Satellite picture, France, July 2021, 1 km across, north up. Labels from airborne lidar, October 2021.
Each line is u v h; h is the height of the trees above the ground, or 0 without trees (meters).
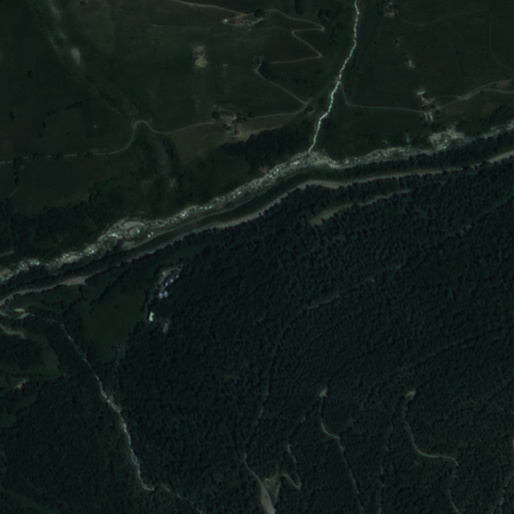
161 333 17
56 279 18
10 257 8
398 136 9
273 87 0
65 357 15
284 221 17
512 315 19
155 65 0
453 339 14
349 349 11
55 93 0
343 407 17
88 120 0
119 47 0
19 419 10
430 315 17
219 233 14
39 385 14
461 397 8
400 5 0
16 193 0
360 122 0
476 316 25
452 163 14
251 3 0
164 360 22
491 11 0
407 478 9
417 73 0
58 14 0
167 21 0
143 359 27
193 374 25
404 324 15
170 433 25
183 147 0
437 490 15
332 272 21
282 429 14
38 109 0
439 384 18
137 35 0
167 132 0
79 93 0
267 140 22
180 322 18
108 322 0
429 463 9
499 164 12
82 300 12
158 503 18
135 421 10
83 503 13
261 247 26
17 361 13
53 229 16
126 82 0
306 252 14
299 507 24
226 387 21
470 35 0
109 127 0
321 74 9
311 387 18
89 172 0
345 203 9
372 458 18
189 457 27
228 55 0
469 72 0
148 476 16
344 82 0
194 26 0
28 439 19
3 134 0
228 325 17
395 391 7
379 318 13
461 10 0
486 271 23
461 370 18
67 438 16
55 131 0
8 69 0
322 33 0
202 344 24
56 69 0
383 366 14
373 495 17
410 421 14
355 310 18
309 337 19
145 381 26
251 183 0
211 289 13
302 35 0
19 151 0
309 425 8
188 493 12
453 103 0
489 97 0
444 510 15
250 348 22
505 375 12
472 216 17
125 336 0
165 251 15
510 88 0
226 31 0
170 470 22
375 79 0
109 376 15
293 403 19
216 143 0
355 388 14
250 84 0
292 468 20
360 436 12
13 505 22
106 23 0
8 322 16
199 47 0
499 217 16
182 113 0
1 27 0
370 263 18
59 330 17
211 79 0
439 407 15
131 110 0
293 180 7
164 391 18
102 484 23
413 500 22
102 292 0
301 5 13
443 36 0
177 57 0
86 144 0
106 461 20
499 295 21
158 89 0
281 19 0
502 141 16
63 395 18
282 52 0
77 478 20
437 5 0
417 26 0
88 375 19
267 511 0
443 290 28
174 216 0
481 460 13
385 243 9
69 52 0
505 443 14
